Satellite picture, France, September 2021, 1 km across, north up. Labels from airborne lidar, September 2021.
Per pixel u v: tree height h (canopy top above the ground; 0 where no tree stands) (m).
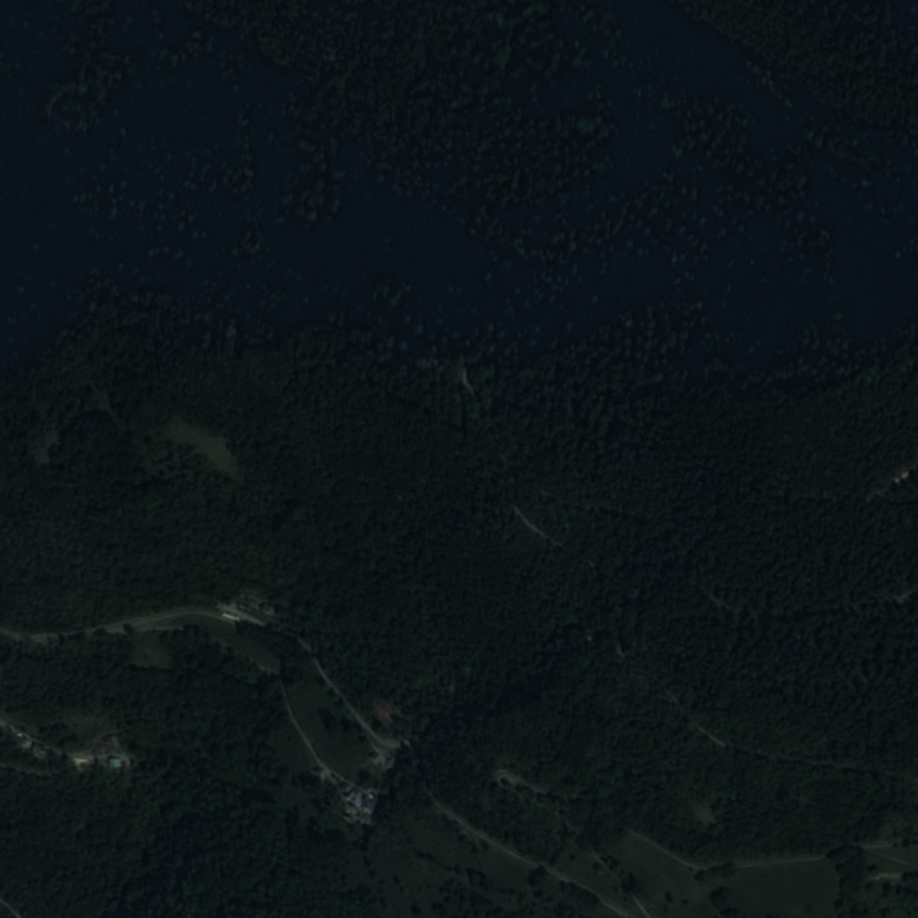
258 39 27
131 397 24
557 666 32
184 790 18
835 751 19
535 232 21
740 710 20
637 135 20
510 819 14
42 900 17
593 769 17
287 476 22
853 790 12
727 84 22
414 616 16
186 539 17
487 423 15
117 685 23
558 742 17
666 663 17
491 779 10
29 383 24
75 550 14
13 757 10
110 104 21
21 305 17
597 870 9
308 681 10
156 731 29
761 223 12
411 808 18
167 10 32
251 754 16
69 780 21
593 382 24
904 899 14
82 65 33
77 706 15
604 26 25
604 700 14
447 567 18
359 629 14
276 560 18
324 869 14
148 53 27
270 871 25
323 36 22
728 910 8
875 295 33
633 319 28
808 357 20
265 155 27
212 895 16
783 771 17
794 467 17
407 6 29
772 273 39
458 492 27
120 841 19
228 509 16
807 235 18
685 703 20
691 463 24
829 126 21
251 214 19
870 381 16
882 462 25
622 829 10
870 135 30
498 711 21
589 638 23
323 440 24
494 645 26
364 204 32
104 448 24
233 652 10
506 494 20
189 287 25
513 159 22
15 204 24
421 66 24
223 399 19
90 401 16
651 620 16
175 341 30
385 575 24
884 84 25
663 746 17
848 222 28
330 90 30
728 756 13
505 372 21
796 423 15
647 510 26
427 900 0
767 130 27
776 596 27
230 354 27
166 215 25
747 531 18
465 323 29
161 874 24
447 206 27
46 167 26
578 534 22
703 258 30
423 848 0
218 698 24
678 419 24
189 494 19
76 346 34
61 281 28
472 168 28
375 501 24
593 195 20
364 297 11
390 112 29
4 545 22
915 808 7
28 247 27
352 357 31
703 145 28
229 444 8
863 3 30
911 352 28
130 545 12
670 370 7
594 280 16
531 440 20
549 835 11
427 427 23
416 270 18
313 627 24
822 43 20
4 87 27
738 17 16
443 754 27
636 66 23
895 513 27
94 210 27
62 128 23
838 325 23
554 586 18
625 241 29
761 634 8
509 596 23
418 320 19
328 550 24
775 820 19
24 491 12
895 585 25
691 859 13
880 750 12
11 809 15
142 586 15
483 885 19
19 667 18
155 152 25
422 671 23
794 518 27
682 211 34
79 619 11
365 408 22
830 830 12
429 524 27
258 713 26
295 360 24
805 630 30
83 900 16
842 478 21
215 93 24
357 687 13
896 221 31
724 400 30
